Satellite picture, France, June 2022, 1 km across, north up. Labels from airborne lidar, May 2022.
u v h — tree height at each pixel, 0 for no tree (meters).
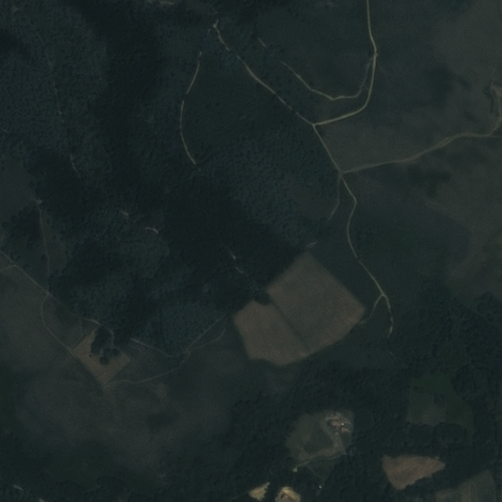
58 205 26
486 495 0
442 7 0
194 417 0
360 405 8
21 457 15
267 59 20
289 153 7
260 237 23
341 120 0
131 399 0
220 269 30
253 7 21
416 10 0
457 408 0
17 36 19
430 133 0
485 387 31
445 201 0
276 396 7
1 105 19
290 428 19
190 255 30
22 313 0
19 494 31
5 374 0
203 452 6
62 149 18
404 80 0
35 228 20
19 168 0
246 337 0
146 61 31
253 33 13
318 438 0
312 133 6
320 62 0
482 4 0
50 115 20
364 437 13
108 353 21
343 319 0
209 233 22
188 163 9
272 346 0
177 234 30
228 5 22
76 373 0
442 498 0
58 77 18
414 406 0
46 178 20
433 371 16
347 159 0
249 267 18
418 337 10
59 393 0
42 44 18
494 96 0
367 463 26
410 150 0
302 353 0
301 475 6
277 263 21
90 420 0
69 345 0
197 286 20
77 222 25
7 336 0
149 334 14
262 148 11
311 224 10
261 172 14
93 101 23
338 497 13
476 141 0
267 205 7
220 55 21
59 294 18
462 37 0
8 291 0
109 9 27
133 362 0
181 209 28
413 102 0
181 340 19
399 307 9
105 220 22
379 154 0
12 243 14
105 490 15
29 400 0
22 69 17
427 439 27
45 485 18
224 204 24
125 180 24
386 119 0
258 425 20
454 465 20
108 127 29
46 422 0
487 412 19
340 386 11
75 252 16
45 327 0
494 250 0
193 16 18
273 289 0
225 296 26
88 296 20
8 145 18
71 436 0
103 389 0
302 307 0
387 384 15
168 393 0
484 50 0
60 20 11
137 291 29
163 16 16
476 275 0
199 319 22
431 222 0
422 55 0
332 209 0
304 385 19
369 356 9
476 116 0
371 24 0
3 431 11
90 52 12
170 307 19
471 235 0
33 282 0
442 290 17
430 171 0
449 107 0
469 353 28
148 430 0
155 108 8
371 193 0
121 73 31
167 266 30
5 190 0
